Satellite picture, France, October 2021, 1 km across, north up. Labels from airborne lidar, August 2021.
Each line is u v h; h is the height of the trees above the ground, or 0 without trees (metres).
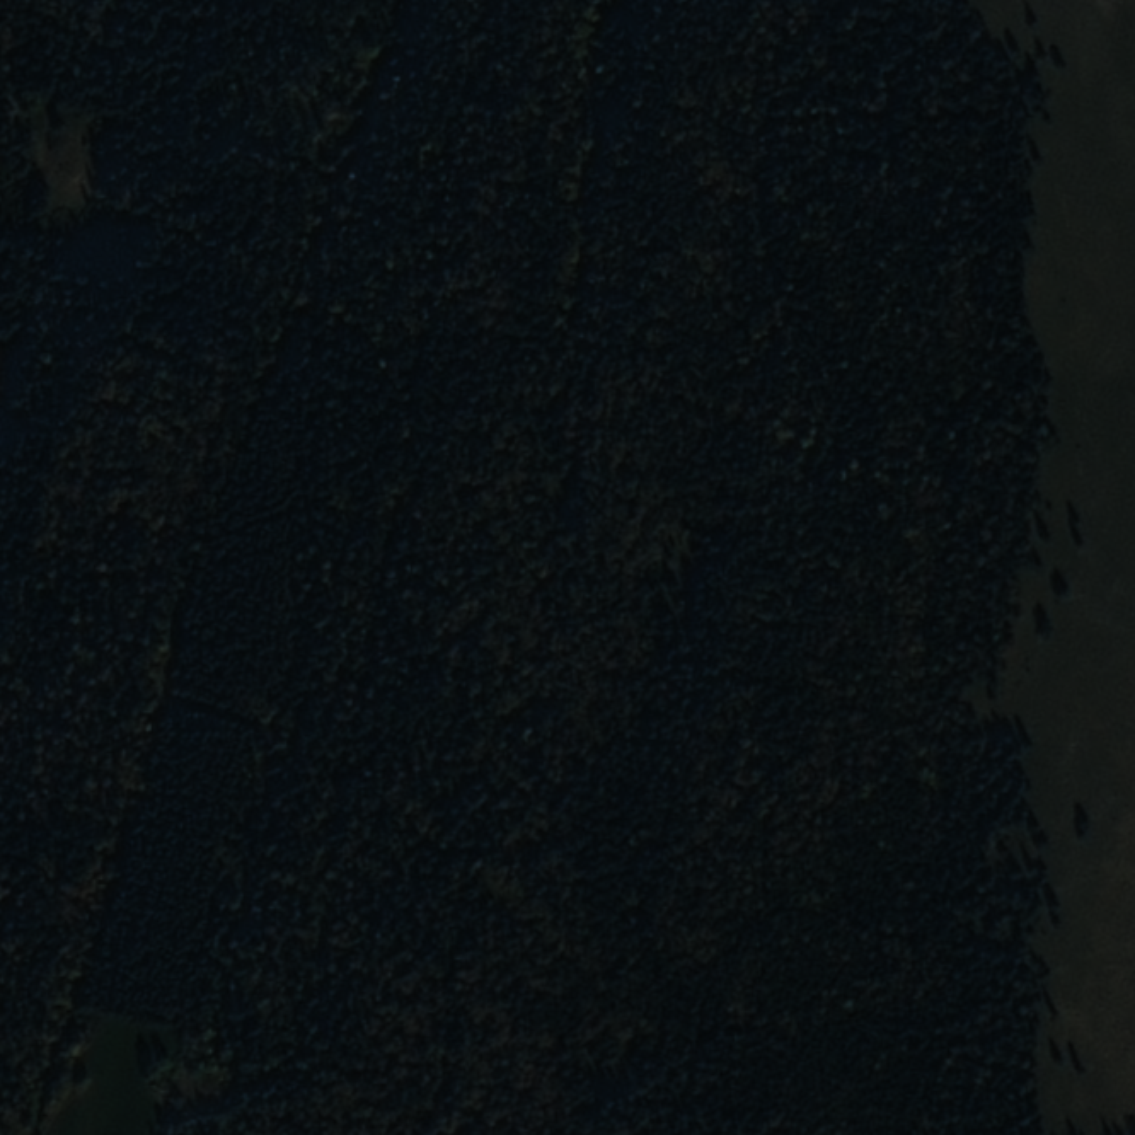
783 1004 11
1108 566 0
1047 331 0
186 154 22
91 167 0
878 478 19
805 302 16
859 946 15
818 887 15
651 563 8
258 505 21
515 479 20
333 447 15
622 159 26
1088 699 0
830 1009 9
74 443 26
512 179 22
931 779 16
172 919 26
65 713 22
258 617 23
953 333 9
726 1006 17
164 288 31
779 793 10
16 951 14
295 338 11
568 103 23
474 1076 15
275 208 10
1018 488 22
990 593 21
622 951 18
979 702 0
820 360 14
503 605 18
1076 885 0
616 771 30
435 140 21
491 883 6
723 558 24
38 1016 22
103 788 16
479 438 13
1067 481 0
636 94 24
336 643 23
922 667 15
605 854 19
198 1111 6
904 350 13
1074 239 0
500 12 23
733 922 18
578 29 26
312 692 10
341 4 19
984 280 22
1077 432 0
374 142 23
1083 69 0
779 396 7
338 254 30
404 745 16
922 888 10
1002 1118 11
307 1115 21
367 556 21
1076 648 0
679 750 25
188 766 25
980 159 21
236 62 12
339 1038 17
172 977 23
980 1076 13
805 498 24
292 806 21
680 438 26
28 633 10
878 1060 13
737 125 18
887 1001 9
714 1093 17
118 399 24
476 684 20
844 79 24
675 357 25
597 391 18
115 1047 0
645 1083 23
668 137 21
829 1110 8
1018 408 21
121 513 8
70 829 15
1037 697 0
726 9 20
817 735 14
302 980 12
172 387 22
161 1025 23
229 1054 9
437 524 20
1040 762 0
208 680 22
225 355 26
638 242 14
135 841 23
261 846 25
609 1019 24
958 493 24
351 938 12
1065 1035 0
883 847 13
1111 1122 0
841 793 15
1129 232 0
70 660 13
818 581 16
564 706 21
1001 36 0
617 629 22
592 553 21
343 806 21
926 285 15
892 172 12
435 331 29
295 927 15
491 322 22
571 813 20
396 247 19
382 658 21
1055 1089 0
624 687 27
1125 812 0
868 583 12
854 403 25
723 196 17
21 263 16
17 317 12
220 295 21
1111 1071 0
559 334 10
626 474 17
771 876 11
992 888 12
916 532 21
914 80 18
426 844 9
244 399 22
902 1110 11
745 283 26
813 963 12
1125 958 0
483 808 18
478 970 18
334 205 26
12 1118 17
